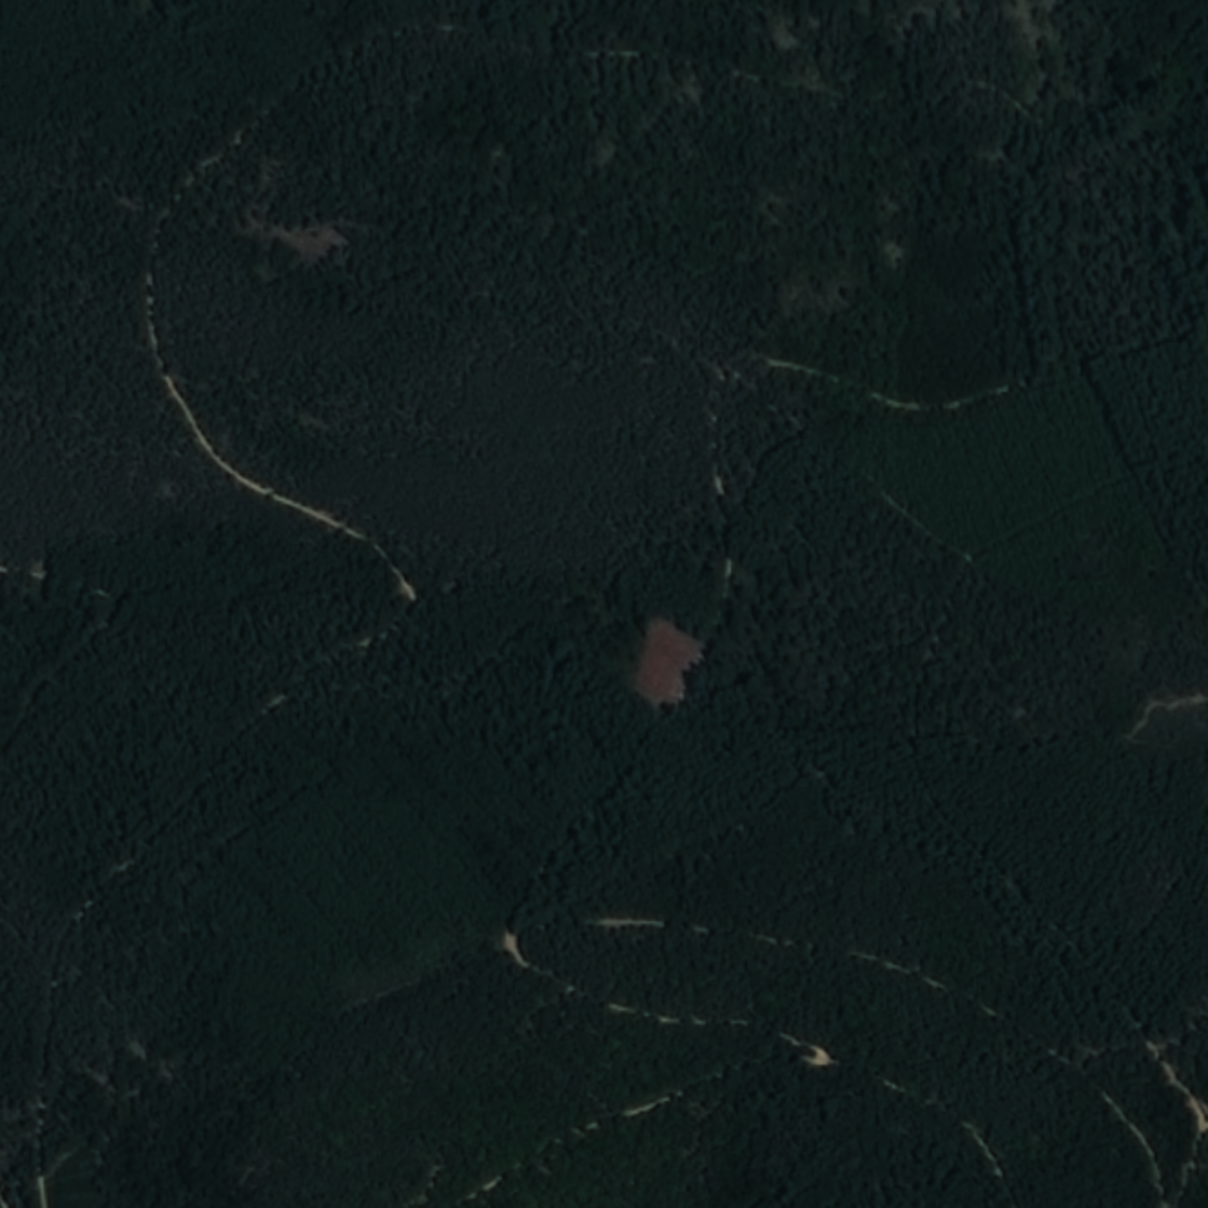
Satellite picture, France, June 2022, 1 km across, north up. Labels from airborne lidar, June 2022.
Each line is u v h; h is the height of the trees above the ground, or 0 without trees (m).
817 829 16
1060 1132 13
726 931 10
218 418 8
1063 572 9
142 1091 8
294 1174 13
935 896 15
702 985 13
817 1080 16
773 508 25
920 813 23
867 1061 12
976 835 25
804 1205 26
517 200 10
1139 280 22
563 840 7
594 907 20
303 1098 13
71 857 10
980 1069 11
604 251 11
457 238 14
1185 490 24
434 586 21
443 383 11
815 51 6
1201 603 8
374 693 14
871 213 7
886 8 16
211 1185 7
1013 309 14
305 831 12
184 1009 8
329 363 13
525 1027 16
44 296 15
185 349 10
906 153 13
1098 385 27
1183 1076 7
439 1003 12
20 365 14
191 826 18
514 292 13
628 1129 11
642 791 24
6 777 11
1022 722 9
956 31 15
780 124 16
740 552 22
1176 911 21
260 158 10
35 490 8
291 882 12
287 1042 7
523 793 11
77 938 18
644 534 13
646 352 10
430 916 8
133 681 13
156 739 16
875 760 23
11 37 18
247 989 11
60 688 9
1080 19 11
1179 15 14
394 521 12
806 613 12
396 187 9
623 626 9
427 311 15
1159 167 11
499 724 28
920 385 8
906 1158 22
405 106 17
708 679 21
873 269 6
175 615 21
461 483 13
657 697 0
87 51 16
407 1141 13
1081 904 23
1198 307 29
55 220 8
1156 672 7
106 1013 15
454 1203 7
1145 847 16
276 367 14
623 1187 9
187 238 9
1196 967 23
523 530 15
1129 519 6
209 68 15
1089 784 20
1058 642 8
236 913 11
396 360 16
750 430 15
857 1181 18
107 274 10
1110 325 21
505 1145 11
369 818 8
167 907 16
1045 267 25
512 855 11
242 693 20
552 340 10
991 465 9
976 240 6
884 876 16
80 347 17
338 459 12
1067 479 11
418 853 10
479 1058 14
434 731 9
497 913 12
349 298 16
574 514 14
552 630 25
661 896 19
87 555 24
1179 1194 7
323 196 17
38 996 16
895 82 12
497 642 19
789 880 15
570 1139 13
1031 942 21
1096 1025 24
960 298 7
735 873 15
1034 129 19
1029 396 10
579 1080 15
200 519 13
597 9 10
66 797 15
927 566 14
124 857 20
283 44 15
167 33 20
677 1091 9
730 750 20
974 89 9
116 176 13
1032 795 22
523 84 13
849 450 8
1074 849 26
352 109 16
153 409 11
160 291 13
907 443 9
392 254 16
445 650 14
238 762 21
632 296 15
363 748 12
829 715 12
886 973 18
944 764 22
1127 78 23
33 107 14
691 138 8
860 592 16
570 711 28
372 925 9
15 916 10
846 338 9
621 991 11
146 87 21
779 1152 16
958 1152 18
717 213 10
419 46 15
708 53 8
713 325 13
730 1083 21
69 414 13
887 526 11
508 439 11
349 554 23
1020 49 8
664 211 11
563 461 12
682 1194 12
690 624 24
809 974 13
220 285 15
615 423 13
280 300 17
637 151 12
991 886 20
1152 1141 6
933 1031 15
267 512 12
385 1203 14
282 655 14
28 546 15
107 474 14
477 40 16
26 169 16
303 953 10
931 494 9
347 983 6
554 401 12
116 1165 7
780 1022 12
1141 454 28
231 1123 7
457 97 12
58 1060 16
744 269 9
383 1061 14
